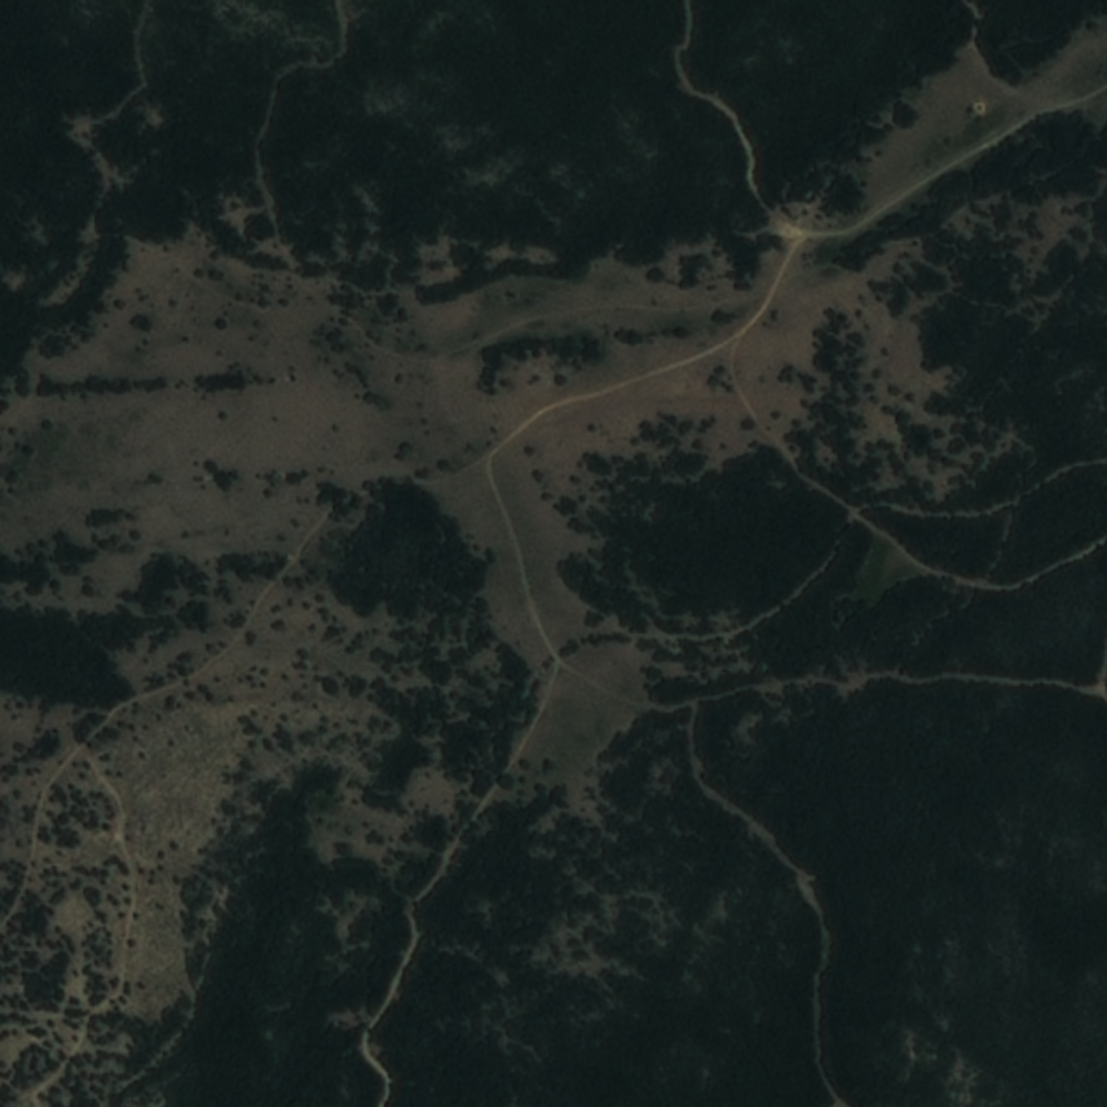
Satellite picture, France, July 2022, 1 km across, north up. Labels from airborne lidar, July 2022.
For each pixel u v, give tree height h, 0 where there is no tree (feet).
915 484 21
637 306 0
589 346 20
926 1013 17
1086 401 17
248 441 0
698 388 0
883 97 22
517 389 0
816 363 21
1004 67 23
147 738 0
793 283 0
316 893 19
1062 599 19
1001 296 21
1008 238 20
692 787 20
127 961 0
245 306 0
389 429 0
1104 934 22
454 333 0
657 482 22
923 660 22
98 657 21
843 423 19
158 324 0
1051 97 0
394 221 18
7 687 20
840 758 22
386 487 21
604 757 23
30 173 18
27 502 0
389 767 20
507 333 0
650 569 18
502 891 18
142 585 20
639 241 18
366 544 18
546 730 0
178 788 0
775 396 0
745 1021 21
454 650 20
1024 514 27
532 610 0
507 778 30
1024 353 19
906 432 23
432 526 23
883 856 21
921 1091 19
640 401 0
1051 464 26
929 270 21
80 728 23
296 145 18
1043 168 20
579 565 17
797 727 18
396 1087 20
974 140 0
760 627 22
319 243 18
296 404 0
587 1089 18
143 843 0
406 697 19
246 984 29
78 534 0
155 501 0
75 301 18
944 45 27
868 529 19
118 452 0
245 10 0
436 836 23
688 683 25
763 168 20
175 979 0
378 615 0
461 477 0
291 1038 22
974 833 18
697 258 23
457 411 0
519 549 0
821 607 31
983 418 22
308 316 0
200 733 0
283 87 17
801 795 18
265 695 0
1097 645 22
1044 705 23
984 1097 18
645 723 21
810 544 23
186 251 0
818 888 22
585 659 0
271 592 0
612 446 0
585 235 18
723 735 19
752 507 20
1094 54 0
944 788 19
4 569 20
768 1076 19
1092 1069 22
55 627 17
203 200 20
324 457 0
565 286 0
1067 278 19
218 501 0
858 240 18
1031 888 20
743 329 0
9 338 17
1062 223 0
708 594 17
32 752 19
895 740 18
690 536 21
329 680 23
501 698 19
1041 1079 21
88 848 0
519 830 24
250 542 0
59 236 19
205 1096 25
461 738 22
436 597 17
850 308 0
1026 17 19
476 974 19
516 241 17
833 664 22
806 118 18
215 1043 24
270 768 0
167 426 0
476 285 20
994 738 23
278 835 24
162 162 17
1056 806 20
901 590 30
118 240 18
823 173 25
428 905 26
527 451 18
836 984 24
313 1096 18
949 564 21
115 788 0
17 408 0
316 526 0
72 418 0
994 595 25
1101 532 21
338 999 29
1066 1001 20
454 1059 22
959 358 20
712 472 19
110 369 0
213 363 0
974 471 18
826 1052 19
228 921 20
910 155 0
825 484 23
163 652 0
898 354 0
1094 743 20
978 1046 20
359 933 25
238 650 0
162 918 0
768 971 18
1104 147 24
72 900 0
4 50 21
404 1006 20
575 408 0
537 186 18
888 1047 19
